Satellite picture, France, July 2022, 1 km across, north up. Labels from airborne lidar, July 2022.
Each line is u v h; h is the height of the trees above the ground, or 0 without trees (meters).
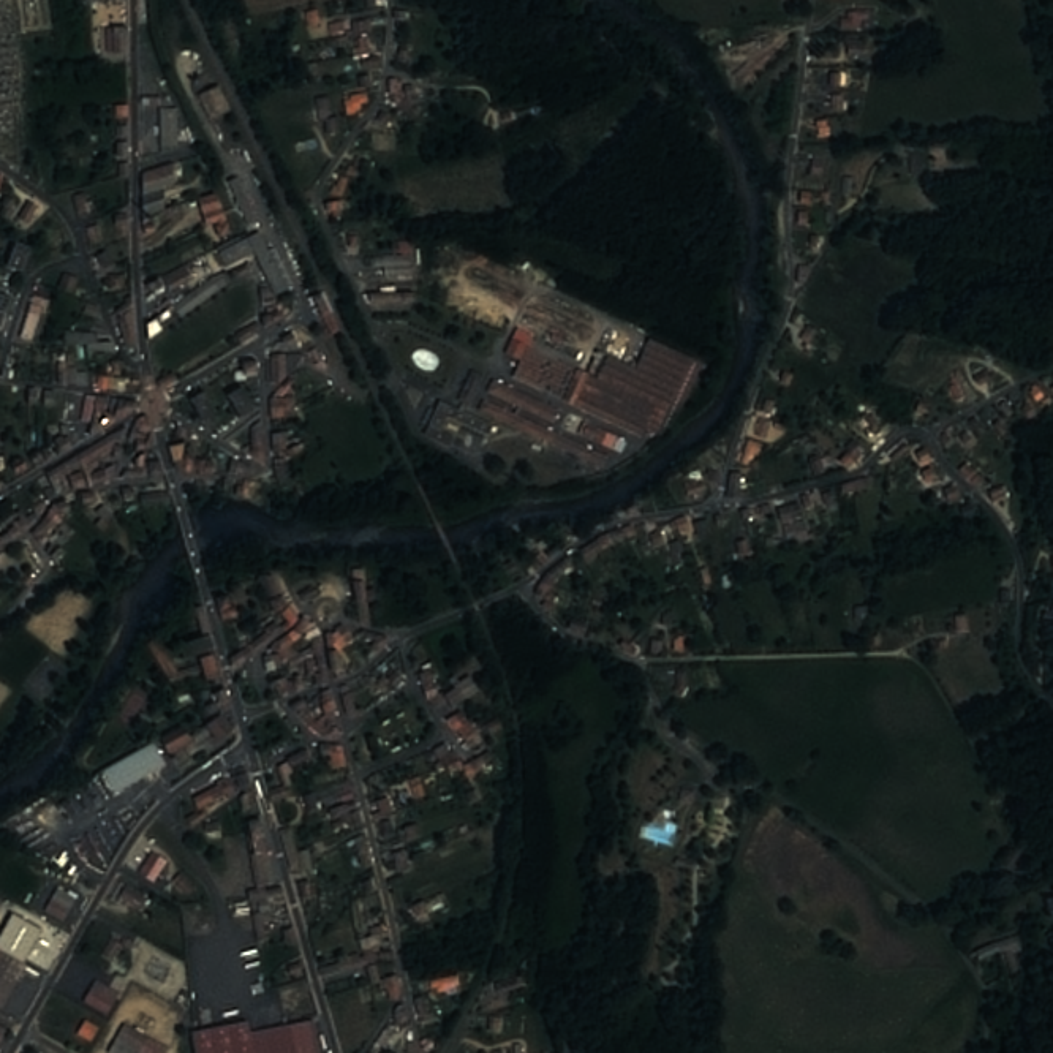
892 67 24
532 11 22
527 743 13
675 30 13
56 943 0
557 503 0
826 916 0
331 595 0
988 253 15
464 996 11
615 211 22
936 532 9
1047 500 18
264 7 0
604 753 15
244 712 0
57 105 8
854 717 0
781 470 0
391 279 0
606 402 0
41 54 0
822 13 0
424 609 20
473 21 22
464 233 20
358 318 17
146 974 0
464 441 0
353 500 17
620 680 16
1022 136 6
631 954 18
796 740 0
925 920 24
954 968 0
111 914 0
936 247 24
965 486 0
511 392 0
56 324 8
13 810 20
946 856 0
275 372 0
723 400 0
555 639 17
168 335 0
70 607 0
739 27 0
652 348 0
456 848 0
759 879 0
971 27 0
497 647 7
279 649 0
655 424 0
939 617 0
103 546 10
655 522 0
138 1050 0
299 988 0
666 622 0
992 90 0
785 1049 0
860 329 0
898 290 0
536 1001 10
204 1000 0
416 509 18
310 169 0
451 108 15
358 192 15
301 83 20
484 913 6
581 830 0
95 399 0
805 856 0
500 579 10
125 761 0
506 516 0
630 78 22
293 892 0
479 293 0
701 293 12
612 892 19
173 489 0
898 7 19
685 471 9
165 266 0
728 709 0
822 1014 0
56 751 0
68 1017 0
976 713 22
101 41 0
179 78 0
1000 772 20
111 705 17
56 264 0
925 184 16
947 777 0
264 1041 0
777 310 13
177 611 36
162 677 15
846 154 21
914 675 0
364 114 0
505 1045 0
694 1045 25
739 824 15
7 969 0
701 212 22
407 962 14
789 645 11
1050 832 24
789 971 0
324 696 0
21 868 0
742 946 0
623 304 10
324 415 0
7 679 0
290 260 0
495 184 0
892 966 0
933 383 0
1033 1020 25
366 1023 0
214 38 13
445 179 0
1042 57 19
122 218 0
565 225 25
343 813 0
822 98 0
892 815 0
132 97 0
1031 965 22
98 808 0
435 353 0
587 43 10
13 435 10
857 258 0
